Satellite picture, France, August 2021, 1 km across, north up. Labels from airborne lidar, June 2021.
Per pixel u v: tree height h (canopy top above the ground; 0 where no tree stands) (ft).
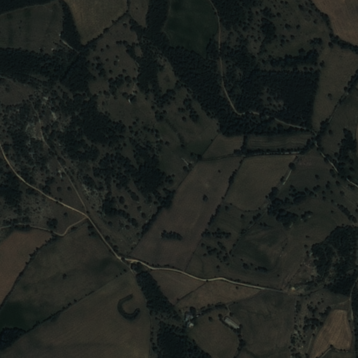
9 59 30
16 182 35
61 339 0
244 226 0
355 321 20
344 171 50
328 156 39
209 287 0
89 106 49
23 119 20
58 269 0
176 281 0
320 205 0
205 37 0
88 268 0
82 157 39
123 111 0
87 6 0
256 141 0
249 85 52
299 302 24
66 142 30
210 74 20
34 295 0
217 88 35
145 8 0
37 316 0
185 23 0
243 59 40
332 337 0
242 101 46
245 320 0
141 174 43
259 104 33
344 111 0
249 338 0
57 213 0
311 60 45
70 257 0
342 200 0
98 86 0
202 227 0
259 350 0
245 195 0
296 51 0
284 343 0
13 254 0
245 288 0
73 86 39
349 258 26
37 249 33
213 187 0
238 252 0
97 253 0
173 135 0
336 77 0
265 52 25
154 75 42
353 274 23
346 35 0
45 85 21
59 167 0
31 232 0
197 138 0
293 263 0
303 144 0
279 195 0
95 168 20
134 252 0
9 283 0
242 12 34
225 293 0
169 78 0
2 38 0
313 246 26
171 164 0
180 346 45
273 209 28
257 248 0
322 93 0
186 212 0
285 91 43
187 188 0
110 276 0
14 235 0
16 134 28
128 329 0
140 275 33
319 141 42
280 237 0
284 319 0
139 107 0
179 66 43
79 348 0
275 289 0
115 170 23
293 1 0
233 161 0
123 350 0
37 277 0
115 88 42
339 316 0
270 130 40
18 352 0
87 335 0
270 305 0
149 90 32
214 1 42
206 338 0
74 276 0
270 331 0
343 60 0
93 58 0
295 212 0
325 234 0
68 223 0
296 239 0
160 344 34
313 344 0
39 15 0
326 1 0
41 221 0
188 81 39
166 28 0
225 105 39
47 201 0
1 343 66
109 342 0
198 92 38
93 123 37
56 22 0
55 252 0
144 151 48
